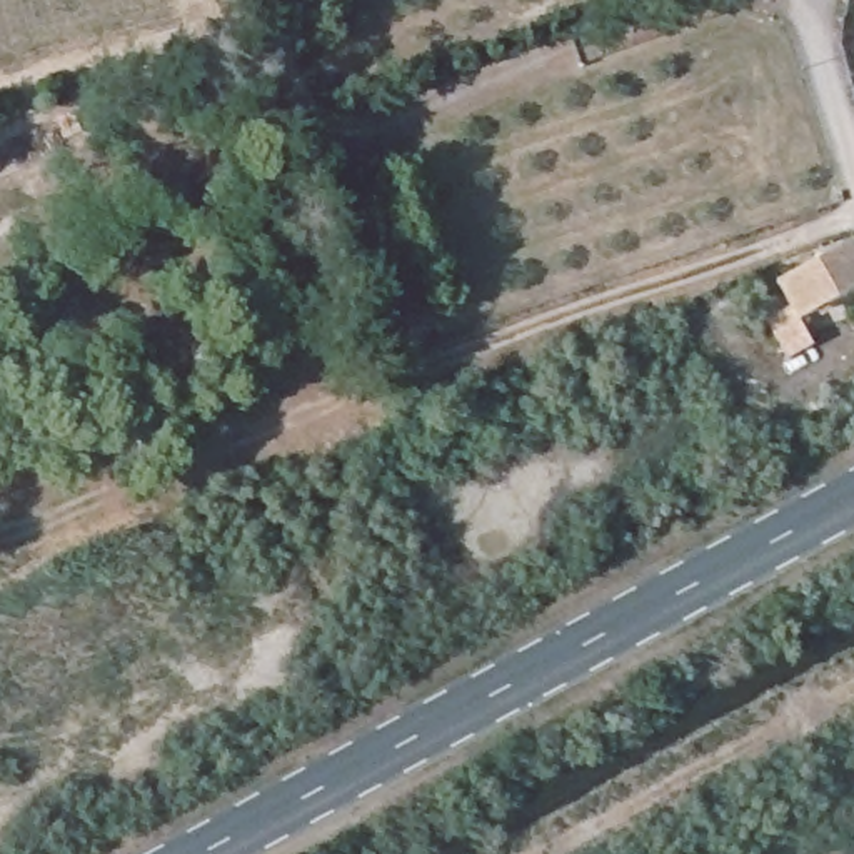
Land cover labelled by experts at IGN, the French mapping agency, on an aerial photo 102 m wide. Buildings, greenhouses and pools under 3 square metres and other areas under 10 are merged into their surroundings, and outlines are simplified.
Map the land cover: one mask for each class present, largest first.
<instances>
[{"label":"herbaceous vegetation","instance_id":"1","mask_svg":"<svg viewBox=\"0 0 854 854\"><path fill-rule=\"evenodd\" d=\"M224 10L217 0H0V90L43 80L60 70L93 67L103 57L163 50L170 37H203L207 23ZM797 0H410L400 20H394L390 27V50L404 60L427 53L434 43L447 40H494L504 30L527 27L547 13L564 10L574 17L577 27H570L567 43L540 47L514 60L490 63L477 73V80L460 83L450 93L430 90L424 103L414 97L410 103L374 110L367 97L357 93L354 107H344L334 97L314 113V133L344 147V163L337 167L334 180L337 187L354 193L350 207L357 217V244L367 254L380 250L384 264H390L400 280V294L394 297L400 304V314L394 324H387V330L397 337V354L404 357L400 374L387 380L394 394L404 387L430 390L434 384H450L460 367L474 360V354L487 347L490 334L504 324L600 294L620 280L657 274L664 267L714 254L721 247L754 244L781 230H794L801 224L841 210L851 200V187L837 173L834 147L817 110V93L811 83V67L801 50L797 27L791 23V7ZM474 113L497 120L500 133L494 137V150L457 143ZM394 153L404 157L414 170L420 207L430 214L434 234L454 260V284L470 287L464 307H457L454 314H444V307L437 304L434 267L427 264L424 247L417 240H407L397 227V183L387 170V157ZM490 160L507 170V187L500 197L474 180ZM514 254L517 260H544V284L527 290H504V264ZM841 43L854 83V0H841ZM87 130L80 127L70 107L10 113L7 120H0V264L13 267L17 257L10 230L50 217L47 193L57 190V177L50 173V163L57 153H67L70 147H83ZM110 127L120 133V140L137 147V167L160 180L167 193L183 197L197 210L220 163V153H190L180 147H167L170 130L160 127V120H143V127ZM187 257L183 240L170 230L147 227L140 250H127L120 260L107 257L100 270H93L87 280H80L67 267L57 277L50 297L37 294V280L23 267H13L17 304L30 317L33 337H47V330L57 324L97 327L103 314L113 310L120 324L137 327L143 334L140 360L167 370L170 380L193 374L197 347L187 317H150L140 304L120 297V280L160 270L167 260ZM687 330L674 370L684 374L691 357H701L727 387L724 414L737 417L744 404L767 410L781 404L821 410L834 394L831 377L854 380V294L824 300L807 317V330L817 347L814 364H804L801 370H784L781 344L774 334L764 337L761 320L751 314V300L744 297V290H734L714 307H707V300L701 297H691L684 304ZM324 374L320 357H314L307 347L290 350L277 367H267L250 384V407H220L187 440L193 460L157 500L137 504L127 497L120 484L107 477L93 480L73 500H47L40 494L33 507V517L40 520V537L10 554H0V784H23L37 774V767L57 761L60 737H77L70 774H110V764L100 757V747L120 751L137 731L150 727L173 704H197L200 714L217 707L234 711L244 701L237 694V681L250 664L254 637H260L264 630L247 617H234L227 634H207V614H193V624L180 627L170 620L177 614V597L153 604L150 597L137 594V584H110V570H100L93 564V554L83 544L100 534L133 527L153 517L173 524L177 530H190V517L183 514L187 487L200 490L207 487L210 474H224L227 467H247L254 454L270 460L280 454L334 450L347 437L384 427L380 400H347L324 394L317 387ZM167 654L180 661L197 657L200 664L217 667L220 684L190 687L187 677L163 667ZM854 470V444L844 454L831 457L811 477V484L781 490V504L807 500L821 494L834 477ZM774 514L771 507H737V514H714L704 527L677 524L661 544L637 550L634 560L607 570L577 594L557 597L530 627H517L510 637H494L477 651L450 657L430 674V681L397 687L384 704H377L370 714L347 721L337 734H327L290 754L274 757L254 777L250 787L227 791L217 801L197 807L190 817L170 821L153 834L123 837V844L110 854H157L167 841L200 831L210 817L230 807H244L260 791L304 774L314 757H334L347 751L360 734L390 727L394 721H400L404 711L440 701L454 684L480 677L510 654L537 647L547 634H560L564 627L590 617L594 607L624 600L644 580L677 570L687 557L727 544L741 527L761 524ZM854 550V527L824 537L821 547L811 554L781 560L764 580L737 584L717 604L694 607L674 627L641 637L624 657H604L590 664L587 674L554 684L537 701H527L524 707L500 714L490 727L457 737L440 757L407 764L397 781L364 787L354 804L324 811L304 831L267 841L264 854H300L410 797L417 787L484 754L504 734L547 724L554 717H564L577 704L600 701L644 664L671 661L684 651L714 654L717 667L711 681L731 684L734 677H744L751 671L741 651L744 610L764 600L774 587L797 590L811 580V570L834 567L837 557ZM791 687H767L751 704L691 731L671 747L654 751L644 764L620 771L617 777L544 814L540 821L547 827L567 831L597 811H607L627 794L671 774L674 767L707 751H717L721 744L771 721L787 701Z\"/></svg>","mask_w":854,"mask_h":854},{"label":"brushwood","instance_id":"2","mask_svg":"<svg viewBox=\"0 0 854 854\"><path fill-rule=\"evenodd\" d=\"M784 270L777 260L721 280L701 297L707 300V307H714L734 290H744V297L751 300V314L761 320L764 337L774 334L787 304L781 290ZM691 297L664 304L644 300L630 304L624 314L567 324L560 330L517 344L487 370L474 360L460 367L450 384H434L430 390L404 387L394 394L380 400L384 427L347 437L334 450L280 454L270 460L254 454L247 467H227L224 474H210L207 487L200 490L187 487L183 514L190 517V530H177L173 524L153 517L133 527L100 534L83 544L93 554V564L100 570H110V584H137V594L150 597L153 604L177 597V614L170 620L180 627L193 624V614H207V634H227L234 617H247L264 630V610L257 607V597L277 594L287 584L297 587L300 597H307V630L284 657V684L254 691L234 711L217 707L200 714L177 724V731L163 734L160 751L153 754L147 771L133 777L110 774H70L43 787L37 797H30L0 831V854H110L123 844V837L153 834L170 821L190 817L197 807L217 801L227 791L250 787L254 777L274 757L290 754L327 734H337L347 721L370 714L377 704H384L397 687L430 681V674L450 657L477 651L494 637H510L517 627H530L557 597L577 594L607 570L634 560L637 550L661 544L677 524L704 527L714 514H737V507H771L774 514L781 510V490L811 484V477L831 457L844 454L854 444V380L831 377L834 394L821 410L781 404L767 410L744 404L737 417L724 414L727 387L701 357H691L684 374L674 370L687 330L684 304ZM554 447H564L580 457H590L594 450H610V477L577 490L554 487L550 500L537 517V537H527L510 557L474 560L464 547L467 530L454 517L457 490L467 484L494 487L514 467ZM814 610L831 614L834 627L841 630L854 620V550L837 557L834 567L811 570V580L797 590L774 587L764 600L744 610L741 651L751 671L767 661H797L801 627ZM717 667L714 654L684 651L671 661L644 664L600 701L577 704L564 717H554L547 724L504 734L484 754L417 787L410 797L300 854H427V831L434 824H440L450 837H470L474 851L480 854H517L524 844L517 834H504V814L527 794V787L537 777H554L567 764H597L614 747H634L644 734L664 727L667 717L677 711V704H671L664 694L681 677H694L697 684L711 681ZM570 854H854V727H847L844 721H827L807 737L774 744L764 757L731 761L724 764V771L707 774L697 787L677 791L647 814H637L630 827L607 831L600 841Z\"/></svg>","mask_w":854,"mask_h":854},{"label":"deciduous trees","instance_id":"3","mask_svg":"<svg viewBox=\"0 0 854 854\"><path fill-rule=\"evenodd\" d=\"M224 10L207 23L203 37H170L163 50L103 57L93 67L60 70L43 80L0 90V120H7L10 113L70 107L80 127L87 130L83 147H70L67 153H57L50 163V173L57 177V190L47 193L50 217L10 230L17 257L13 267H23L37 280V294L50 297L57 277L67 267L80 280H87L93 270H100L107 257L120 260L127 250H140L147 227L170 230L183 240L187 257L167 260L160 270L120 280V297L140 304L150 317H187L197 347L193 374L170 380L167 370L140 360L143 334L137 327L120 324L113 310L103 314L97 327L57 324L47 330V337H33L30 317L17 304L13 267L0 264V554H10L40 537V520L33 517V507L40 494L47 500H73L93 480L107 477L120 484L127 497L137 504L157 500L193 460L187 440L220 407H250V384L267 367H277L290 350L307 347L314 357H320L324 374L317 387L324 394L347 400H380L394 394L387 380L400 374L404 357L397 354V337L387 330V324H394L400 314V304L394 297L400 294V280L390 264H384L380 250L367 254L357 244V217L350 207L354 193L337 187L334 180L337 167L344 163V147L314 133V113L334 97L344 107H354L357 93L367 97L374 110L410 103L414 97L424 103L430 90L450 93L460 83L477 80V73L490 63L514 60L540 47L567 43L570 27H577L574 17L564 10L547 13L527 27L504 30L494 40H447L434 43L427 53L404 60L390 50V27L394 20H400L410 0H217ZM143 120H160V127L170 130L167 147H180L190 153H220V163L197 210L183 197L167 193L160 180L137 167V147L120 140V133L110 127H143ZM500 133L497 120L474 113L457 143L494 150V137ZM387 170L397 183V227L407 240H417L424 247L427 264L434 267L437 304L444 307V314H454L457 307H464L470 287L454 284V260L434 234L430 214L420 207L414 170L404 157L394 153L387 157ZM474 180L500 197L507 187V170L490 160ZM544 260H517L514 254L504 264V290H527L544 284Z\"/></svg>","mask_w":854,"mask_h":854},{"label":"pervious surface","instance_id":"4","mask_svg":"<svg viewBox=\"0 0 854 854\"><path fill-rule=\"evenodd\" d=\"M791 23L797 27L801 50L811 67V83L817 93V110L834 147L837 173L851 187V200L841 210L801 224L794 230H781L754 244L721 247L714 254L664 267L657 274L620 280L600 294L504 324L490 334L487 347L474 354V360L487 370L517 344L560 330L567 324L624 314L630 304L644 300L664 304L691 297H701L721 280L777 260L784 270L781 290L787 304L774 334L781 344L784 370H801L804 364H814L817 347L807 330V317L824 300L854 294V83L841 43V0H797L791 7ZM610 477V450H594L590 457H580L564 447H554L514 467L494 487L467 484L457 490L454 517L467 530L464 547L474 560L510 557L527 537H537V517L550 500L554 487L577 490ZM257 607L264 610V630L260 637H254L250 664L237 681V694L244 701L254 691L284 684V657L307 630V597H300L297 587L287 584L277 594L257 597ZM827 721H844L847 727H854V647L834 654L827 664L811 667L801 677V687H791L787 701L771 721L721 744L717 751H707L674 767L671 774L627 794L607 811H597L567 831L547 827L540 821L530 827L524 844L517 854H570L600 841L607 831L630 827L637 814H647L677 791L697 787L707 774L724 771V764L731 761L764 757L774 744L807 737ZM163 667L187 677L190 687L220 684L217 667L200 664L197 657L180 661L167 654ZM200 714L197 704H173L150 727L137 731L120 751L100 747V757L110 764V774L133 777L147 771L153 754L160 751L163 734L177 731V724ZM77 737H60L57 761L37 767V774L23 784H0V831L30 797H37L43 787L70 774Z\"/></svg>","mask_w":854,"mask_h":854},{"label":"impervious surface","instance_id":"5","mask_svg":"<svg viewBox=\"0 0 854 854\"><path fill-rule=\"evenodd\" d=\"M854 527V470L834 477L821 494L807 500L781 504V510L774 514L761 524L741 527L727 544L687 557L677 570L644 580L624 600L594 607L590 617L564 627L560 634H547L537 647L510 654L480 677L454 684L440 701L404 711L400 721H394L390 727L360 734L347 751L334 757H314L304 774L260 791L244 807H230L210 817L200 831L167 841L157 854H264L267 841L304 831L324 811L354 804L364 787L397 781L407 764L440 757L457 737L490 727L500 714L524 707L527 701H537L554 684L587 674L590 664L604 657H624L641 637L674 627L694 607L717 604L737 584L764 580L781 560L811 554L821 547L824 537Z\"/></svg>","mask_w":854,"mask_h":854},{"label":"water","instance_id":"6","mask_svg":"<svg viewBox=\"0 0 854 854\"><path fill-rule=\"evenodd\" d=\"M854 647V620L841 630L834 627L831 614L814 610L801 627L797 661H767L751 671L744 677H734L731 684L711 681L697 684L694 677H681L664 694L671 704H677V711L667 717L664 727L644 734L634 747H614L597 764H567L554 777H537L527 787V794L504 814V834H517L524 844L530 827L540 821L544 814L617 777L620 771L644 764L654 751L671 747L691 731L751 704L767 687H801V677L811 667L827 664L834 654ZM427 854H480L474 851L470 837H450L440 824H434L427 831Z\"/></svg>","mask_w":854,"mask_h":854}]
</instances>
